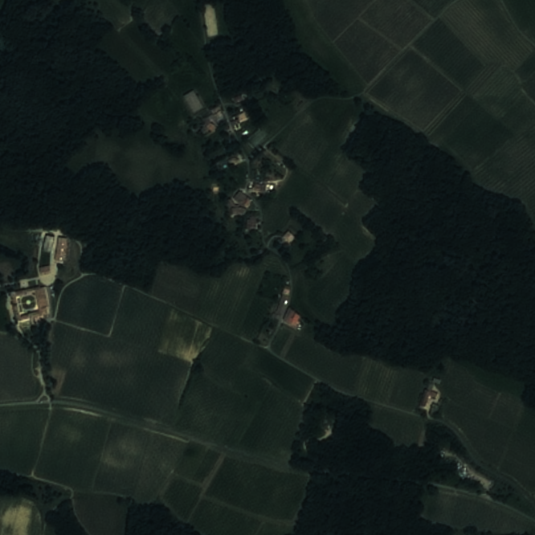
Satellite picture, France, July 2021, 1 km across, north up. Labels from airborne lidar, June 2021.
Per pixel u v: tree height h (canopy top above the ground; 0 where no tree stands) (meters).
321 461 16
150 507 16
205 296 0
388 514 22
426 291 21
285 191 0
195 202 23
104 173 15
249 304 0
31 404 0
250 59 21
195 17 0
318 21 0
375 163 20
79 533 12
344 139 0
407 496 21
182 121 0
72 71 23
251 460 0
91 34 17
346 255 0
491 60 0
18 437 0
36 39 29
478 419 0
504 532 0
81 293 0
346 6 0
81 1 7
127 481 0
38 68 25
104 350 0
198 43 0
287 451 0
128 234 13
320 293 0
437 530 16
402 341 17
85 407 0
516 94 0
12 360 0
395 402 0
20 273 11
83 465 0
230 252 12
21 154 24
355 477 18
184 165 0
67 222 24
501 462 0
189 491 0
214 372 0
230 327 0
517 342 22
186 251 16
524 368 22
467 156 0
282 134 0
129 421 0
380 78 0
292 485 0
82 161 0
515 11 0
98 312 0
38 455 0
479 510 0
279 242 12
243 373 0
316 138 0
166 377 0
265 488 0
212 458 0
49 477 0
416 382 0
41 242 0
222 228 12
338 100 0
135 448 0
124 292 0
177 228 22
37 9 32
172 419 0
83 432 0
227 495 0
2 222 20
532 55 0
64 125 11
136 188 0
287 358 0
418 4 0
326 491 20
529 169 0
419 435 0
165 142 10
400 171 18
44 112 23
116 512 0
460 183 16
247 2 26
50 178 19
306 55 11
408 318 22
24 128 24
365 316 23
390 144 18
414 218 26
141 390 0
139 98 11
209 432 0
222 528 0
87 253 20
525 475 0
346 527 21
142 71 0
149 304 0
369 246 0
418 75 0
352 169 0
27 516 0
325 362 0
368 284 21
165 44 20
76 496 0
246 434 0
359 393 0
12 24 28
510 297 27
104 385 0
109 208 26
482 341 24
